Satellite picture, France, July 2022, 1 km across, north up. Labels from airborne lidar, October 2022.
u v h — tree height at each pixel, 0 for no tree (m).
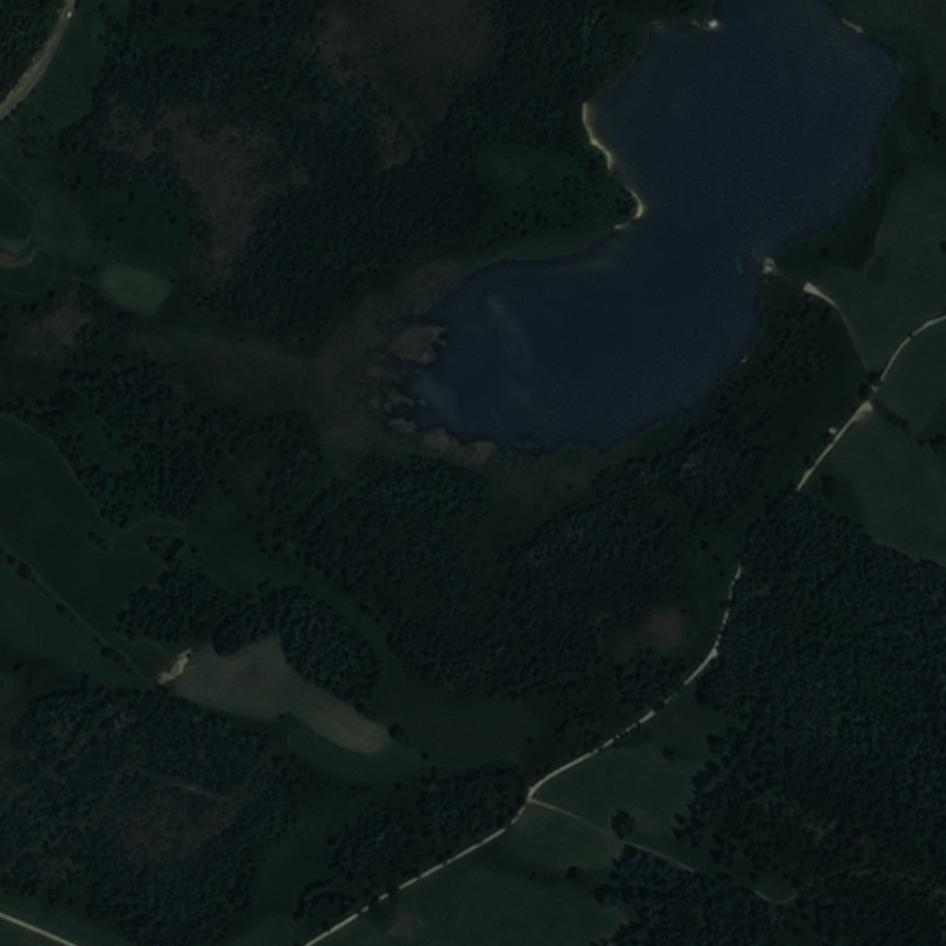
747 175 0
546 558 16
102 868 8
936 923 7
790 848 14
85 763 10
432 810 18
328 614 11
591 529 8
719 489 13
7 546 0
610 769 0
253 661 0
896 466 0
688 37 0
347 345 0
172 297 0
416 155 8
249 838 12
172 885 5
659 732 0
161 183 10
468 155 15
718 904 26
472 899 0
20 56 12
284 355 0
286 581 0
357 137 11
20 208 0
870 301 0
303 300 14
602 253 0
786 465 0
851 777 22
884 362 0
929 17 0
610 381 0
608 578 9
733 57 0
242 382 0
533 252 0
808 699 20
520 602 11
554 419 0
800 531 21
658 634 0
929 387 0
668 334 0
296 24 9
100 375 13
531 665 10
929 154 0
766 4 0
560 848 0
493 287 0
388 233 11
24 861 7
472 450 0
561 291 0
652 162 0
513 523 0
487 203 15
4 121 7
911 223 0
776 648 15
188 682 0
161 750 9
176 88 12
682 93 0
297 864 0
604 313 0
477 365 0
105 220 0
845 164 0
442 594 7
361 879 16
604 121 0
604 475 8
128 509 9
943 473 0
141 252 0
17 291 0
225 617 5
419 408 0
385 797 0
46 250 0
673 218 0
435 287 0
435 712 0
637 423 0
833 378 0
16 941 0
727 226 0
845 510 0
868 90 0
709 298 0
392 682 0
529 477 0
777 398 0
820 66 0
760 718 22
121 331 0
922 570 18
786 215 0
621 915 0
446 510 13
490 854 0
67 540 0
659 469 13
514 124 13
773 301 0
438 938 0
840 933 19
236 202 0
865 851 19
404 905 0
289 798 11
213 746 12
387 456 0
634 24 0
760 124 0
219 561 0
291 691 0
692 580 0
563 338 0
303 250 14
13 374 0
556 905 0
